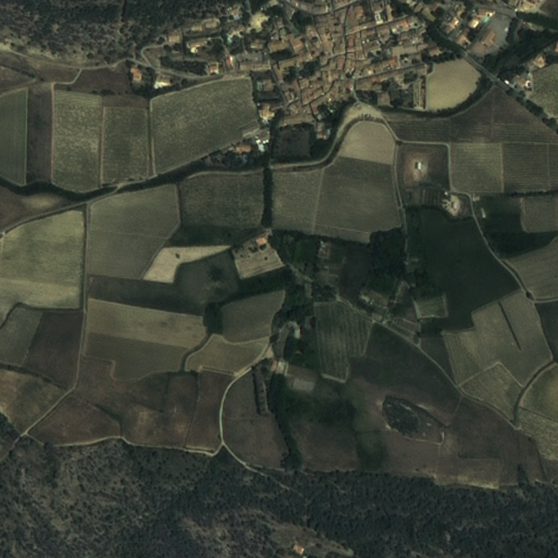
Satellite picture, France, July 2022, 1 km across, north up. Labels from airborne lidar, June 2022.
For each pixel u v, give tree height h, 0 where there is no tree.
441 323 0
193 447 0
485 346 0
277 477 10
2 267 0
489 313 0
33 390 0
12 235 0
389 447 0
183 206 0
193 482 9
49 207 0
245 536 12
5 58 0
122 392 0
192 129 0
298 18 14
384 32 0
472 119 0
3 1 13
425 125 0
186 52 6
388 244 8
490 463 0
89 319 0
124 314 0
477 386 0
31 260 0
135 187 6
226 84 0
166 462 11
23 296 0
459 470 0
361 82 0
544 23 21
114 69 0
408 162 0
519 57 8
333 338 0
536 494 9
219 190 0
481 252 0
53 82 0
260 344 0
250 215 0
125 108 0
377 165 0
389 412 0
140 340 0
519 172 0
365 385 0
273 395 22
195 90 0
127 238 0
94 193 6
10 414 0
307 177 0
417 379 0
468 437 0
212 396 0
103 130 0
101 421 0
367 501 12
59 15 12
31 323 0
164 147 0
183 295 0
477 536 9
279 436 0
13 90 0
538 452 0
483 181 0
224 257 0
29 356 0
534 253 0
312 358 0
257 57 0
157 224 0
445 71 0
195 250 0
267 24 11
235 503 13
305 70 10
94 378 0
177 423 0
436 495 13
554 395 0
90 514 8
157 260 0
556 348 0
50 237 0
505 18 0
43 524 0
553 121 14
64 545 0
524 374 0
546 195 10
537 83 0
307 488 8
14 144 0
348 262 0
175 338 0
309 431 0
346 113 0
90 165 0
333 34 0
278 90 12
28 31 0
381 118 0
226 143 0
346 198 0
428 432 0
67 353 0
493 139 0
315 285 12
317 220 0
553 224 0
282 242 6
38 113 0
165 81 0
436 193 0
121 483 6
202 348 0
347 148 0
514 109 0
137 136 0
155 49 0
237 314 0
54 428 0
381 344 0
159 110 0
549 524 11
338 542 9
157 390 0
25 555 0
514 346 0
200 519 11
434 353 0
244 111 0
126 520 8
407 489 12
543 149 0
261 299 0
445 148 0
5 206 0
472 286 0
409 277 11
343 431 0
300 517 11
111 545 11
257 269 0
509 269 0
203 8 15
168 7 14
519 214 0
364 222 0
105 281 0
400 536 14
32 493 0
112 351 0
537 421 0
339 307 0
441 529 7
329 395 0
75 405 0
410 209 10
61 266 0
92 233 0
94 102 0
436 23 15
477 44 0
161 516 15
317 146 17
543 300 0
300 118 0
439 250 0
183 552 13
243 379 0
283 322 6
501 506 10
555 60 12
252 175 0
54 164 0
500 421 0
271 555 15
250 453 0
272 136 12
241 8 8
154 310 0
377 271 8
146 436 0
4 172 0
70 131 0
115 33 0
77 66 0
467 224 0
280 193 0
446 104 0
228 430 0
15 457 12
